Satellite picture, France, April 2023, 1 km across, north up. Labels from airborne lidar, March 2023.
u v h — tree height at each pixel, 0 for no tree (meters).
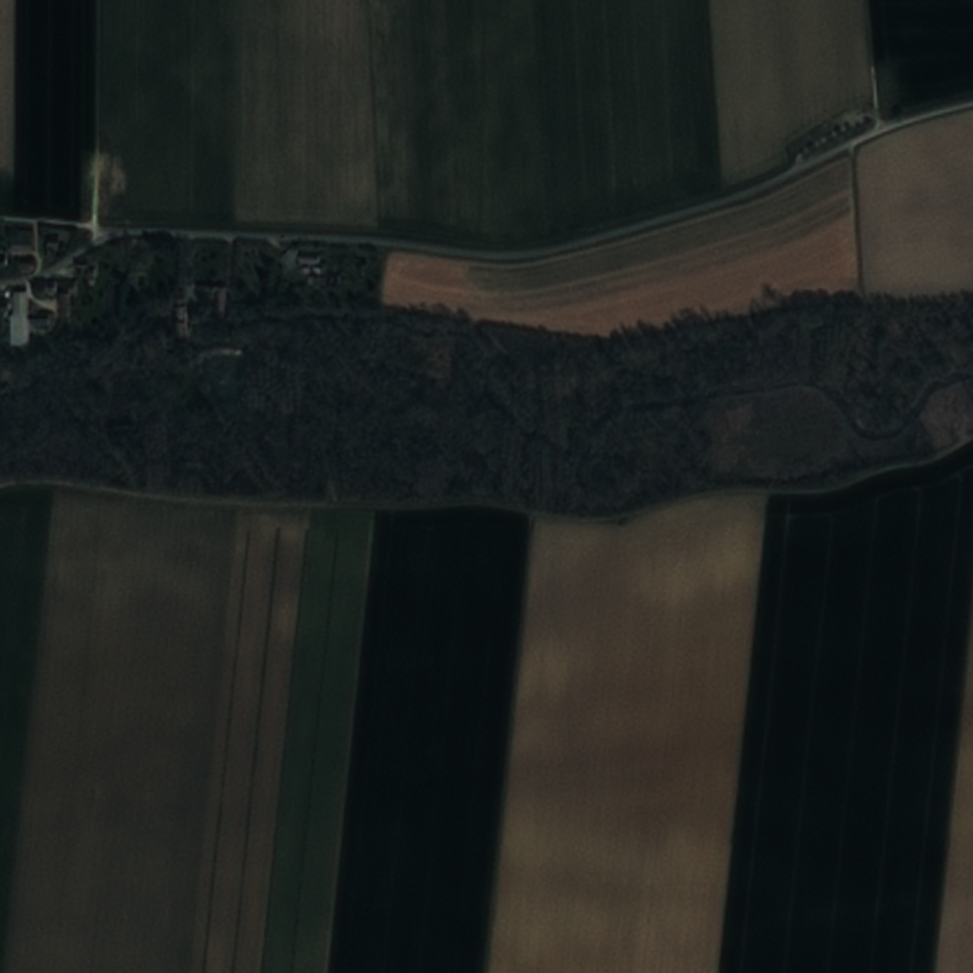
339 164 0
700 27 0
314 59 0
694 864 0
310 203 0
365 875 0
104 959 0
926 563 0
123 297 17
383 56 0
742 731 0
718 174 0
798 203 0
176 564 0
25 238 0
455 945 0
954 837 0
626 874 0
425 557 0
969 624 0
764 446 0
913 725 0
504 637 0
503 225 0
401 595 0
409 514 0
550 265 0
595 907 0
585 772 0
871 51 0
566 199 0
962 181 0
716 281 0
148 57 0
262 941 0
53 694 0
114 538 0
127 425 11
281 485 29
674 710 0
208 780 0
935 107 0
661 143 0
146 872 0
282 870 0
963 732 0
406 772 0
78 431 32
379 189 0
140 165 0
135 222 0
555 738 0
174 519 0
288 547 0
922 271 0
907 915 0
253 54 0
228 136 0
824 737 0
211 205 0
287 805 0
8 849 0
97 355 33
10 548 0
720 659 0
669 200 0
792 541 0
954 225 0
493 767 0
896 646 0
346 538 0
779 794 0
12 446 27
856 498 0
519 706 0
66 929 0
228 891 0
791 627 0
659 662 0
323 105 0
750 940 0
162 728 0
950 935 0
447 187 0
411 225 0
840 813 0
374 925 0
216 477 18
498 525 0
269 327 38
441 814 0
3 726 0
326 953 0
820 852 0
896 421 20
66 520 0
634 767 0
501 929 0
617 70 0
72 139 0
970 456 0
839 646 0
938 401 0
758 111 0
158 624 0
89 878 0
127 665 0
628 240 0
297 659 0
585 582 0
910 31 0
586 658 0
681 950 0
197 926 0
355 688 0
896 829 0
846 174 0
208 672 0
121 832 0
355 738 0
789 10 0
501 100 0
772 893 0
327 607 0
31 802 0
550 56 0
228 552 0
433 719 0
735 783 0
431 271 0
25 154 0
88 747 0
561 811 0
